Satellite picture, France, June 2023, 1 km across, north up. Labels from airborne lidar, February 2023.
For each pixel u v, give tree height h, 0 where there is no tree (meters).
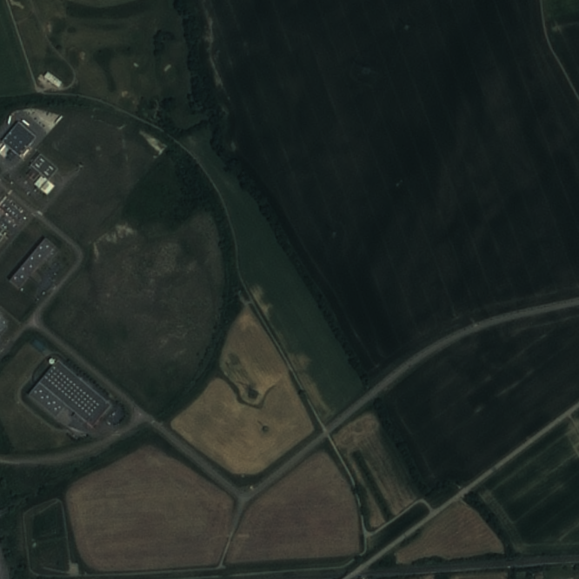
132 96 0
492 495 0
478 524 0
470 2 0
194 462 0
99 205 0
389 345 0
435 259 0
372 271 0
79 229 0
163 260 0
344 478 0
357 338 0
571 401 0
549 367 0
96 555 0
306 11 0
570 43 0
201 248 0
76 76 0
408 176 0
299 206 0
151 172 0
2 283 0
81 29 0
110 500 0
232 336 0
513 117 0
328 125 0
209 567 0
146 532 0
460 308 0
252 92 0
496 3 0
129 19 0
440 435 0
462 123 0
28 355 0
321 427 0
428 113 0
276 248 0
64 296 0
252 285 0
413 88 0
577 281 0
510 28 0
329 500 0
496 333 0
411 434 0
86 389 0
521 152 0
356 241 0
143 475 0
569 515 0
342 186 0
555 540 0
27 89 0
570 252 0
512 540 0
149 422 0
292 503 0
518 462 0
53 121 0
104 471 0
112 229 0
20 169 0
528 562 0
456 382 0
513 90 0
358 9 0
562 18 0
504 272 0
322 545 0
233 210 0
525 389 0
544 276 0
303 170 0
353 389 0
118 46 0
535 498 0
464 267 0
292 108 0
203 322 0
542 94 0
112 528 0
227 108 0
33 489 0
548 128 0
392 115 0
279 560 0
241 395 0
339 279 0
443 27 0
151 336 0
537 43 0
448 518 0
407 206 0
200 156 0
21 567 10
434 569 0
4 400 0
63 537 0
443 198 0
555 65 0
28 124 0
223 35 0
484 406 0
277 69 0
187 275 0
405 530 0
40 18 0
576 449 0
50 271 0
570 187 0
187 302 0
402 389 0
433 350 0
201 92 16
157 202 0
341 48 0
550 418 0
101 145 0
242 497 0
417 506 0
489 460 0
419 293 0
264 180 0
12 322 0
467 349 0
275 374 0
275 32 0
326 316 8
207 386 0
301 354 0
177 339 0
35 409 0
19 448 0
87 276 0
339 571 0
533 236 0
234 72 0
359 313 0
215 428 0
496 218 0
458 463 0
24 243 0
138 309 0
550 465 0
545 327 0
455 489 0
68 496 0
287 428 0
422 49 0
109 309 0
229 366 0
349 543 0
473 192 0
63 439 0
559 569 0
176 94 0
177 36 0
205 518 0
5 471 0
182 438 0
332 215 0
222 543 0
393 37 0
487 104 0
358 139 0
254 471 0
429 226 0
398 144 0
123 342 0
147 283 0
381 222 0
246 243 0
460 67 0
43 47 0
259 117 0
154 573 0
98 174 0
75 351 0
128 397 0
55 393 0
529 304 0
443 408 0
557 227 0
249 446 0
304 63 0
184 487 0
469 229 0
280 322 0
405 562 0
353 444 0
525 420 0
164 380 0
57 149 0
